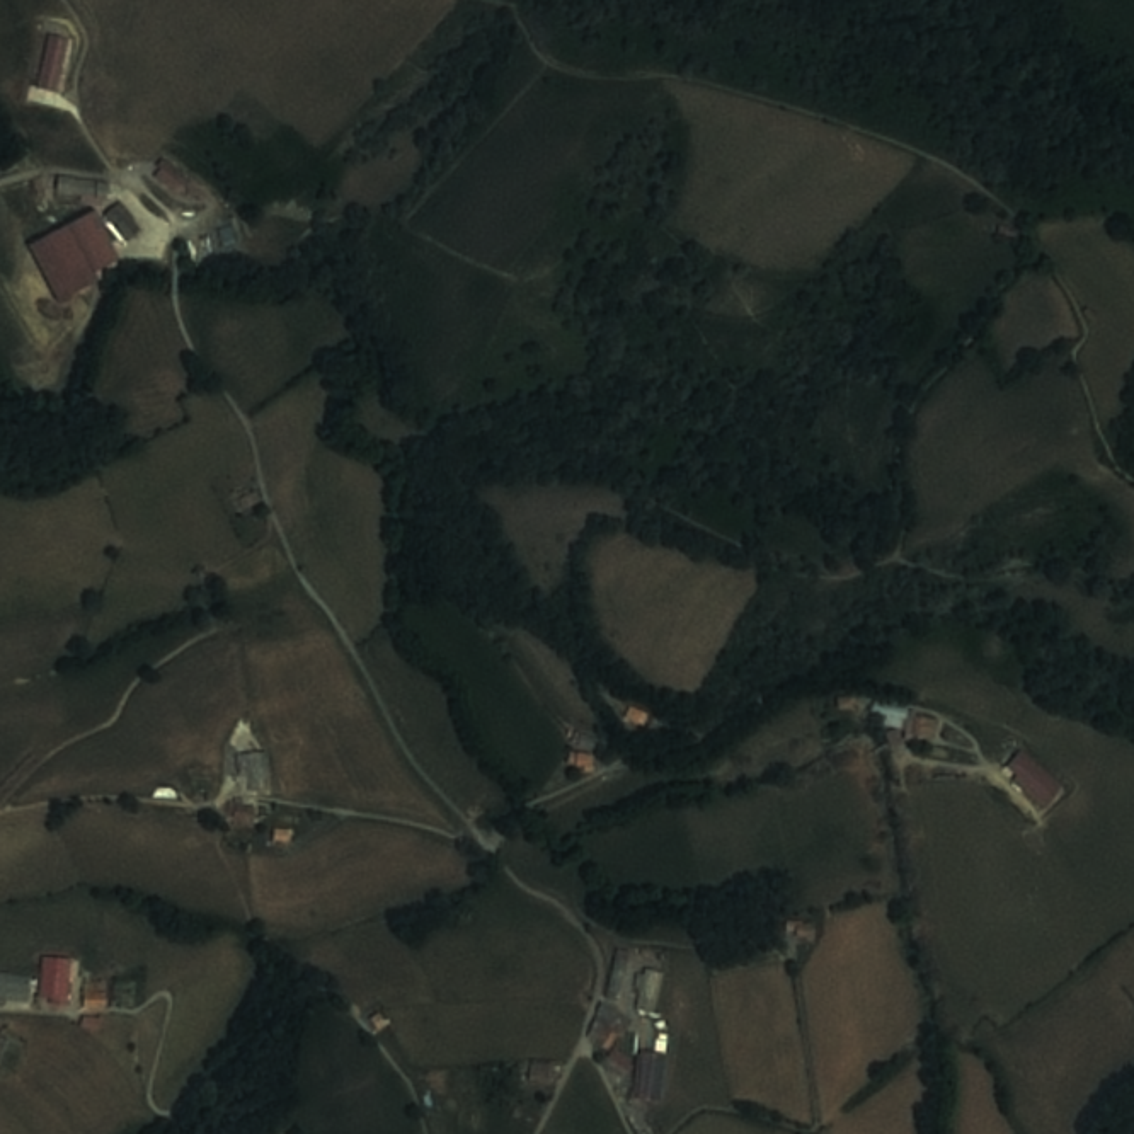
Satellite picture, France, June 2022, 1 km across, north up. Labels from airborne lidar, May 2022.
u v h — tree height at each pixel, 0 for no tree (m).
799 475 22
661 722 11
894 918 17
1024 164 22
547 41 0
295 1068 12
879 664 20
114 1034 0
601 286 16
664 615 0
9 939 0
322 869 0
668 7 13
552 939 0
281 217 0
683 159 11
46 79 0
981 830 0
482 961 0
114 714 0
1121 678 19
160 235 0
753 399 16
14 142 18
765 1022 0
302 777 0
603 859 0
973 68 16
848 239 11
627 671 17
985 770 0
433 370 0
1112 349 0
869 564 16
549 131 0
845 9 18
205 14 0
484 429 21
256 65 0
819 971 0
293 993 23
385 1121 0
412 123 16
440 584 21
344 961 0
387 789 0
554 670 0
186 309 0
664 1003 0
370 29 0
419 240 0
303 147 0
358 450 27
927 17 14
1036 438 0
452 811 0
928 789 0
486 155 0
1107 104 20
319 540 0
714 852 0
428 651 17
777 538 0
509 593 15
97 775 0
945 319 0
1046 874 0
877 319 23
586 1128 0
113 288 20
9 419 9
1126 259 0
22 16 0
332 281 20
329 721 0
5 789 0
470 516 19
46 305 0
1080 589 0
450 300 0
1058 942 0
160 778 0
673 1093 0
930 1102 16
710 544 16
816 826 0
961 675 0
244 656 0
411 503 19
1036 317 0
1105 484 0
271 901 0
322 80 0
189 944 15
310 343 0
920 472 0
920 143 0
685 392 16
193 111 0
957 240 0
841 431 0
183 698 0
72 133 0
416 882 0
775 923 26
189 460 0
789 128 0
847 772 0
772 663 15
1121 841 0
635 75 0
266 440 0
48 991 0
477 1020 0
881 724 14
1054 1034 0
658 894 17
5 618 0
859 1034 0
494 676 0
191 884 0
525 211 0
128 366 0
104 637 0
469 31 7
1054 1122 0
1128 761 0
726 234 0
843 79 11
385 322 16
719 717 6
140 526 0
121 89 0
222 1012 0
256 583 0
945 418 0
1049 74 22
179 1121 18
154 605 0
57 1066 0
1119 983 0
